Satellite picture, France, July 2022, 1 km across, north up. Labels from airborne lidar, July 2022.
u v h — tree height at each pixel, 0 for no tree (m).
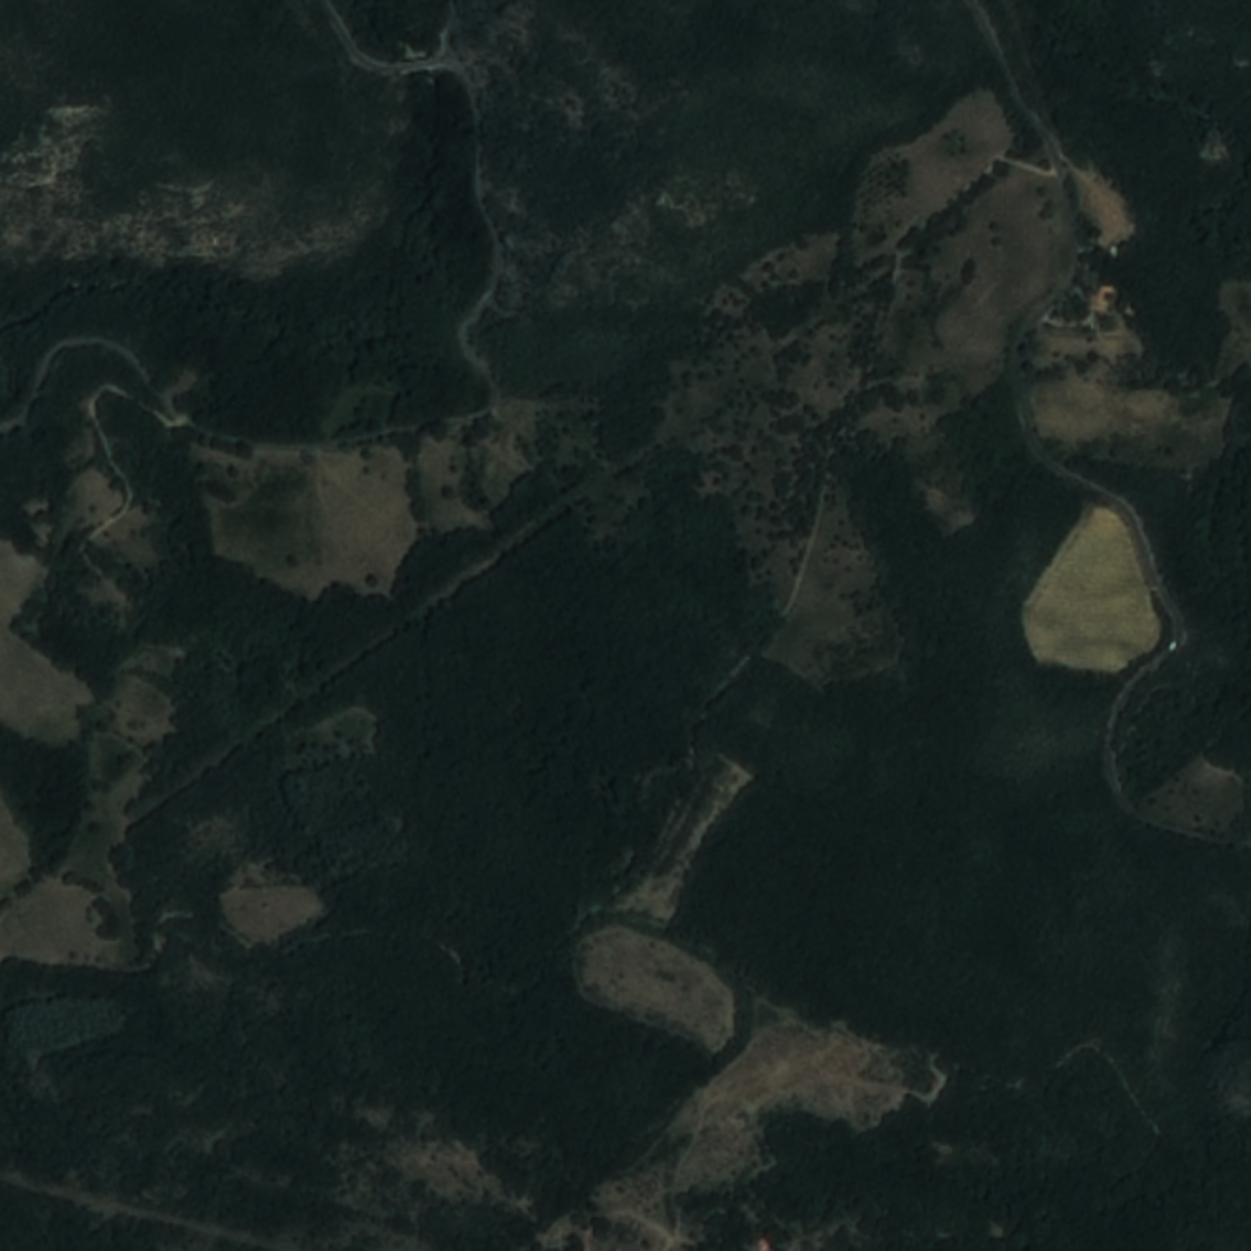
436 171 22
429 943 9
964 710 8
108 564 8
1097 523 0
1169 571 8
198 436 13
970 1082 12
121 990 9
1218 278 11
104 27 6
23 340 6
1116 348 0
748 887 13
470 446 15
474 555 14
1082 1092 12
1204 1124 16
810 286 9
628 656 11
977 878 6
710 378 6
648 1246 9
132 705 0
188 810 6
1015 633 7
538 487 17
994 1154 8
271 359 19
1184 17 6
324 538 0
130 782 0
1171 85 15
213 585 15
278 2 7
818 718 9
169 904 6
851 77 5
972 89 9
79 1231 10
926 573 10
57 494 11
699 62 8
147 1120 8
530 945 11
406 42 11
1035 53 6
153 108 7
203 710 11
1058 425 0
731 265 6
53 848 14
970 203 6
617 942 0
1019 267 0
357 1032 8
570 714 18
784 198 9
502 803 13
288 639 13
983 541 9
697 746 8
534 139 6
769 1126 6
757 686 7
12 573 0
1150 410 0
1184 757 8
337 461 0
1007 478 9
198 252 13
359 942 7
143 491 10
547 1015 12
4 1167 8
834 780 8
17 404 11
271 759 8
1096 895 7
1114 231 0
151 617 13
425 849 10
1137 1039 6
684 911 9
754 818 9
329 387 19
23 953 0
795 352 8
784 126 5
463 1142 6
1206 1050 14
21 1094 9
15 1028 16
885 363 0
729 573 7
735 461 8
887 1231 10
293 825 8
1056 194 0
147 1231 8
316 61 6
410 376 22
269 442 10
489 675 16
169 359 12
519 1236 8
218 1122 7
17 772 11
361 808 13
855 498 7
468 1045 11
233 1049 10
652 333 6
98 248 7
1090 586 0
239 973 10
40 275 9
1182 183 9
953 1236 11
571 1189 11
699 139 6
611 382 10
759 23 6
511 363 7
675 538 9
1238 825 8
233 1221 7
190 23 8
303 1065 9
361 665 9
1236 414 9
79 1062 7
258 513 0
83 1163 6
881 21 7
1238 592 16
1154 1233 14
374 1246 6
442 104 18
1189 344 10
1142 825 12
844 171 8
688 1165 0
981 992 8
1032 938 6
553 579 13
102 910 8
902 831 8
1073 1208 14
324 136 7
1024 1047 7
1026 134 9
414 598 17
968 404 9
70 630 11
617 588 13
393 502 0
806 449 8
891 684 9
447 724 14
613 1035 10
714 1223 8
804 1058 0
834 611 0
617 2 6
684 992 0
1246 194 16
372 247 11
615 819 17
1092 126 8
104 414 7
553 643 12
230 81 7
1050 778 11
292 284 13
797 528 8
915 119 6
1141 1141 9
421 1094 6
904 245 9
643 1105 10
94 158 7
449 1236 6
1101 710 6
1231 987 12
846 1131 14
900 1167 16
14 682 0
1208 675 9
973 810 9
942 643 10
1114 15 9
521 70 7
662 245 6
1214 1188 12
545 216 5
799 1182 12
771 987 10
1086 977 8
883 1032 11
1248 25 8
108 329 10
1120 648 0
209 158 7
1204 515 9
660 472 8
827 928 9
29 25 6
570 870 12
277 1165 12
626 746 13
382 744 10
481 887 17
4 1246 11
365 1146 7
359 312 20
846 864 12
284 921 0
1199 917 9
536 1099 11
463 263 15
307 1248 6
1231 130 17
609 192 7
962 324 0
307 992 7
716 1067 8
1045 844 7
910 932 11
